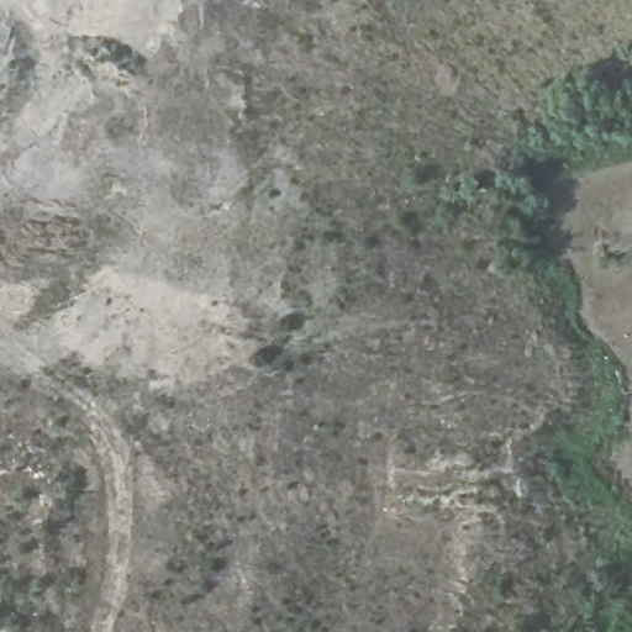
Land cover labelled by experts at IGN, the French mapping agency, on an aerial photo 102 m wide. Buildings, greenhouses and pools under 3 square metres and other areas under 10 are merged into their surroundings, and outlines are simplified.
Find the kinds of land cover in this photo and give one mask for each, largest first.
<instances>
[{"label":"herbaceous vegetation","instance_id":"1","mask_svg":"<svg viewBox=\"0 0 632 632\"><path fill-rule=\"evenodd\" d=\"M205 15L210 20H215L217 25L227 22L235 27H244V37L252 40L262 52V64L247 62L244 74H225L230 81L242 84L244 89V106H232L227 111L232 121L230 138L235 141L239 165H244L247 170V185L235 198L244 207H252L254 188L269 173L284 170L289 183L299 188L301 200L309 202V215L294 230V249L304 252L311 242H328L338 252V262L333 267V274L338 279V289L331 296L333 304L346 314L370 311L378 314L380 321L397 318V328H380L365 331L360 336L351 333L346 338H331L328 343H321L309 353V365H301L299 370L289 373L277 370L274 378L259 375V380L252 388H244L222 400L227 415H242L249 420L247 430L254 435V462L262 467L272 464L274 476H281L289 489L309 491V499L304 501V514L289 516L286 531H272L262 523L259 533L252 536H239L242 523L202 528L175 523L178 541L170 548L168 563L148 580L138 583L148 600L193 605L205 600L215 590L220 570L227 568L225 558L230 546H239L247 551L257 543L259 560L252 578L249 605L252 625L244 632H560V617L568 615V610L573 607L570 590H575L580 580L588 578V573L605 575L602 565L627 560L632 555V486L612 464V447L630 439L632 402V395L627 365L607 348L605 341L593 336L588 323L583 321L580 279L573 262L563 254L551 262L541 254H528L526 272H506L501 269V262L494 259L491 232L496 225V195L491 193V183L496 173H501L499 158L504 151L511 153L514 138L526 136L528 121L541 119L538 106L543 91L553 84V79H565L570 67L593 64L605 57H617L620 62L632 64V0H207ZM277 146L294 151L301 160V170H294L289 163L277 160L272 153ZM506 439L514 442V472L496 474L491 479H479L476 504H491L496 509L494 514H481V538L476 546L467 551V560H476V573L469 575L467 593H459L457 588H452L454 563L449 536L454 531V511L442 509V504H430L425 506L422 521H412L410 516H397V521L388 518L383 514L385 496L400 494L397 486H388V467L422 469L432 457L467 454L476 464V469H486L491 464H504L501 447ZM91 430L86 425L84 410L74 402L64 397L57 400L32 390L30 378L0 375V570L10 568L17 578L32 573L27 593H20L15 597L12 612L0 625V632H94V610L109 605V600L104 597V588L109 580L106 491L89 489L86 472L74 462L77 449L86 444ZM32 484L40 494H47L52 499L49 516L40 526H30L27 514L32 501L22 496V491Z\"/></svg>","mask_w":632,"mask_h":632},{"label":"pervious surface","instance_id":"2","mask_svg":"<svg viewBox=\"0 0 632 632\"><path fill-rule=\"evenodd\" d=\"M207 0H0V375L30 378L32 390L57 400L64 397L74 402L84 410L86 425L91 430L86 444L77 449L74 462L86 472L89 489L106 491L109 580L104 588V597L109 600V605L94 610V632H244L252 625L249 605L252 578L259 560L257 543L247 551L239 546H230L225 558L227 568L220 570L215 590L205 600L193 605L148 600L138 583L148 580L168 563L170 548L178 541L175 523L202 528L242 523L239 536H252L259 533L262 523L272 531H286L289 516L304 514V501L309 499V491L289 489L281 476H274L272 464L262 467L254 462V435L247 430L249 420L242 415H227L222 400L244 388H252L259 380V375L274 378L277 370H272L269 365H257L252 360V356L259 348L279 346L291 353H309L321 343H328L331 338H346L351 333L360 336L365 331L380 328H397V318L380 321L378 314L370 311L346 314L333 304L331 296L338 289V279L333 274V267L338 262V252L328 242H311L304 252L294 249V230L309 215V202L301 200L299 188L289 183L284 170L269 173L254 188L252 207H244L235 198L247 185V170L244 165H239L235 141L230 138L232 121L227 111L232 106H244V89L242 84L230 81L225 74H244L247 62L262 64V52L252 40L244 37V27H235L227 22L217 25L215 20H210L205 15ZM272 153L277 160L289 163L294 170H301V160L294 151L277 146ZM575 207L563 215V230H568L573 239L563 254L573 262L580 279L583 321L588 323L593 336L605 341L607 348L627 365L632 395V160L600 170H585L575 178ZM612 464L632 486V402L630 439L612 447ZM504 464H491L486 469H476V464L467 454L432 457L422 469L388 467V486H397L400 494L385 496L383 514L388 518L397 521V516H410L412 521H422L425 506L430 504H442V509L454 511V531L449 536L454 563L452 588H457L459 593H467L469 575L476 573V560H467V551L476 546L481 538V514H494L496 509L491 504H476L479 479H491L496 474L514 472V442L506 439L501 447ZM22 496L32 501L27 514L30 526H40L49 516L52 499L47 494H40L32 484L22 491Z\"/></svg>","mask_w":632,"mask_h":632},{"label":"deciduous trees","instance_id":"3","mask_svg":"<svg viewBox=\"0 0 632 632\"><path fill-rule=\"evenodd\" d=\"M541 119L528 121L526 136L514 138L511 153L504 151L499 158L501 173H496L491 183V193L496 195V225L491 232L494 259L501 262V269L506 272H526L528 254H541L551 262L563 254L573 239L568 230H563V215L575 207V178L585 170H600L632 160V64L620 62L617 57H605L593 64L570 67L565 79H553V84L543 91L538 106Z\"/></svg>","mask_w":632,"mask_h":632},{"label":"brushwood","instance_id":"4","mask_svg":"<svg viewBox=\"0 0 632 632\"><path fill-rule=\"evenodd\" d=\"M252 360L257 365H269L272 370H277L289 373L299 370L301 365H309V353H291L279 346L259 348L252 356ZM605 575L588 573V578L580 580L575 590H570L573 607L568 610V615L560 617V632H632V555L627 560L602 565ZM32 573L17 578L10 568L0 570V625L12 612L15 597L20 593H27Z\"/></svg>","mask_w":632,"mask_h":632}]
</instances>
